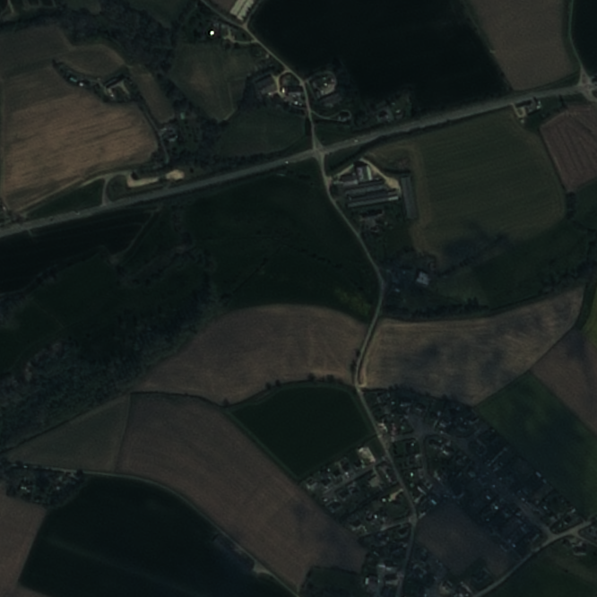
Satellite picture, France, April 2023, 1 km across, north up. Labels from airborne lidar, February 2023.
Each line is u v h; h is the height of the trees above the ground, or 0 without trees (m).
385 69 0
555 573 0
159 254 0
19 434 17
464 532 0
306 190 0
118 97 13
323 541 0
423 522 0
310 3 0
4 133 0
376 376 0
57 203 0
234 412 0
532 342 0
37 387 10
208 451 0
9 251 0
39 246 0
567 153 0
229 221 0
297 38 0
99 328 0
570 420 0
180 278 0
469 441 0
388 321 0
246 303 0
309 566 0
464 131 0
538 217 0
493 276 0
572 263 0
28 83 0
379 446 0
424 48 0
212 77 0
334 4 0
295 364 0
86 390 24
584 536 0
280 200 0
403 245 0
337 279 0
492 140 0
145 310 0
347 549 0
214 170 17
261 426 0
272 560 0
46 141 0
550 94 0
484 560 0
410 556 0
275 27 0
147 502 0
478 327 0
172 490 0
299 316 0
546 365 0
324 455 0
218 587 0
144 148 0
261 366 0
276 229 0
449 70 0
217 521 0
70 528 0
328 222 0
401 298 0
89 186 0
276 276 0
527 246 0
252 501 0
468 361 0
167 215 0
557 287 29
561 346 0
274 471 0
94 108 0
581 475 0
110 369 13
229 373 0
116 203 0
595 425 0
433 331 0
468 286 0
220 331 0
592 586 0
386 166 0
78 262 0
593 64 0
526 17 0
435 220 0
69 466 0
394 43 0
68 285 0
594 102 0
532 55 0
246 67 0
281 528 0
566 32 0
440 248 0
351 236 0
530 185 0
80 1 0
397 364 0
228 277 0
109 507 0
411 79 0
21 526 0
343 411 0
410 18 0
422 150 0
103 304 0
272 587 0
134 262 0
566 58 0
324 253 0
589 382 0
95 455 0
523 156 0
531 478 0
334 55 0
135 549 0
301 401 0
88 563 0
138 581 0
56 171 0
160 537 0
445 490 0
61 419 8
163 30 10
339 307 0
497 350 0
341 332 0
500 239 11
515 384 0
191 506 0
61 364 11
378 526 0
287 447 0
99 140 0
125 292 0
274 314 0
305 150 0
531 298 0
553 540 0
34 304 0
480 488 0
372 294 0
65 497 14
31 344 0
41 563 0
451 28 0
